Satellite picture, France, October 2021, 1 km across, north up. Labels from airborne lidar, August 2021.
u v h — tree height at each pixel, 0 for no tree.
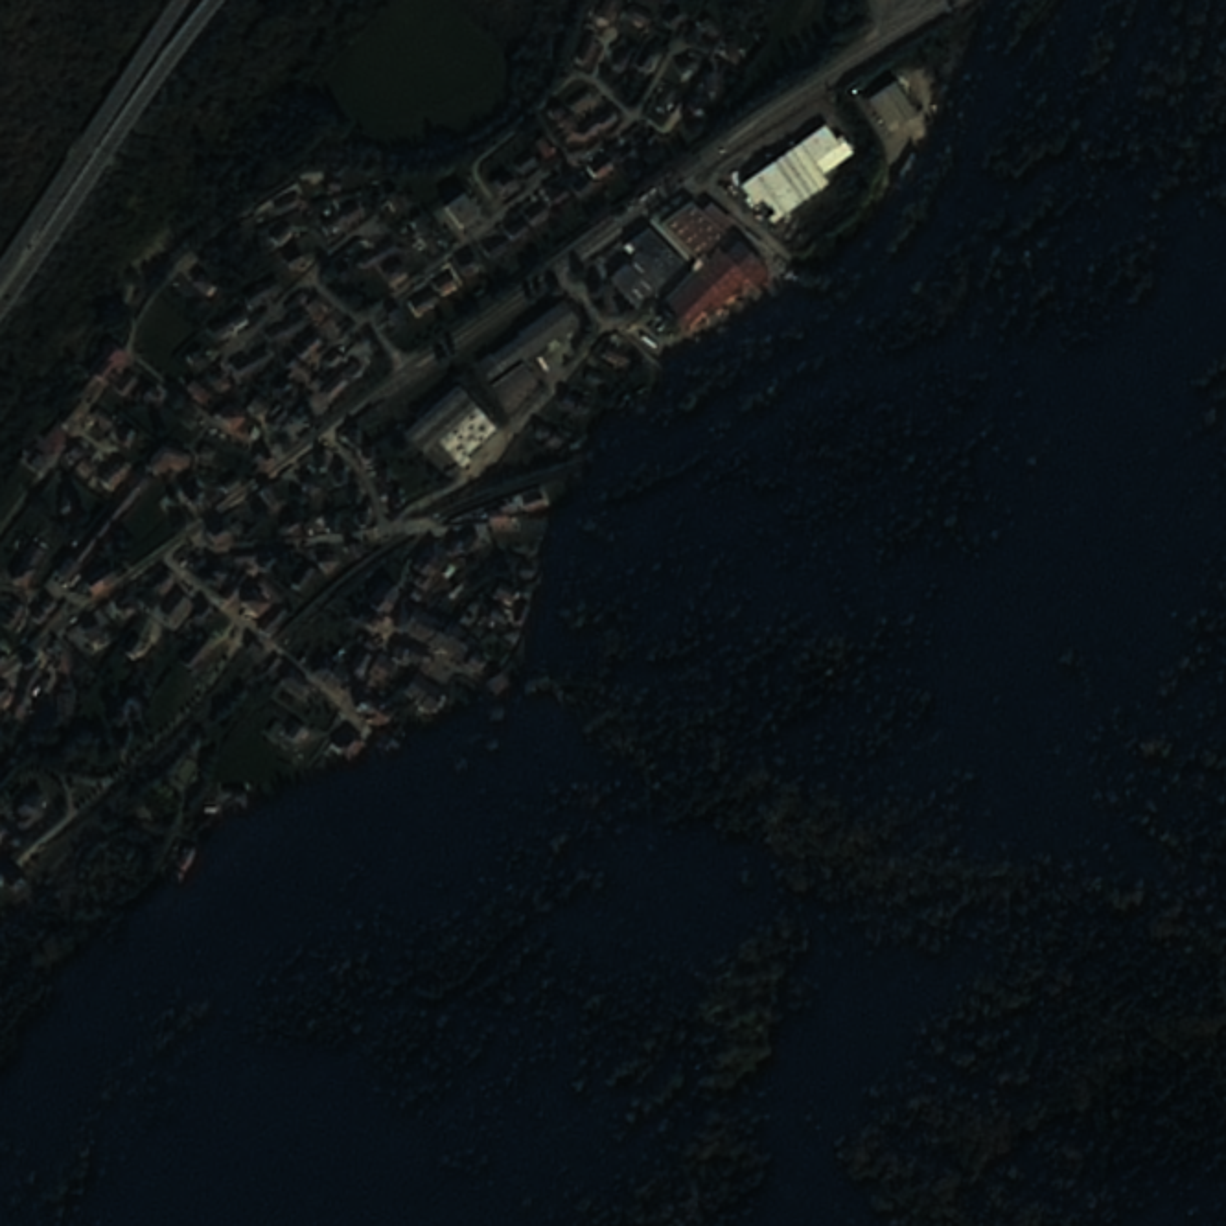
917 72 0
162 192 11
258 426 10
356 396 0
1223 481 20
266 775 0
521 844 20
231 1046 15
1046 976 22
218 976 11
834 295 13
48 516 11
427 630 0
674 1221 33
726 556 33
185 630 0
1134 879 28
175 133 21
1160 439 20
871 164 7
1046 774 28
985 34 7
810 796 19
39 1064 20
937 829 17
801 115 0
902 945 27
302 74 16
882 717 29
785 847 26
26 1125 17
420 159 10
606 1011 29
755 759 28
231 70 7
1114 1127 23
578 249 0
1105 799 21
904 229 17
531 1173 25
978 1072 28
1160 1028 18
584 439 8
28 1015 12
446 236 0
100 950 12
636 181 9
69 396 18
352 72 0
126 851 10
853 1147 24
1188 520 18
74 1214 24
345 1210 13
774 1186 36
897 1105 30
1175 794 20
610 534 18
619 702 23
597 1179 15
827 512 26
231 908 12
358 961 23
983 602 24
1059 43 7
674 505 27
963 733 35
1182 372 19
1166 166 9
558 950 20
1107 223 19
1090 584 19
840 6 16
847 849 14
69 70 17
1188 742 24
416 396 0
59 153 8
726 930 9
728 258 0
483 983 26
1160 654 26
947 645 23
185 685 0
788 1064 16
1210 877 21
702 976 27
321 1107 25
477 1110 18
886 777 21
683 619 30
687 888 9
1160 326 14
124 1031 17
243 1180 30
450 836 18
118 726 17
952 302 21
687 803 34
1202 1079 15
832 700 22
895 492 19
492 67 0
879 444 21
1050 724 24
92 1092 22
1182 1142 9
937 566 9
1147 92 24
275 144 27
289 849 14
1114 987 29
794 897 18
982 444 8
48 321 12
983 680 20
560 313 0
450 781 16
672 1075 24
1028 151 12
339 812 15
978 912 21
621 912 13
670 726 28
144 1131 21
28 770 6
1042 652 28
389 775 11
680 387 14
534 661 6
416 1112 28
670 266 0
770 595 26
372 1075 20
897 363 0
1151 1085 9
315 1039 27
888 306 23
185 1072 17
